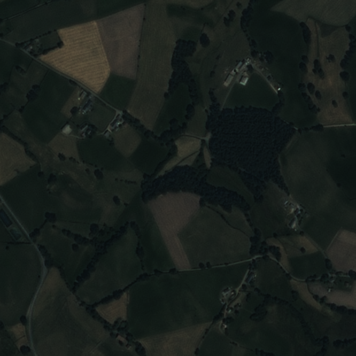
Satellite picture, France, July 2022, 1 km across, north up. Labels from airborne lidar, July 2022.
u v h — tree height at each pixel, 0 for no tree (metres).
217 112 20
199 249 0
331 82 0
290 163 0
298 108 0
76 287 10
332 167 0
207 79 0
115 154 0
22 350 18
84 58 0
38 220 0
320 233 0
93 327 0
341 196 0
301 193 0
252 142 20
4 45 0
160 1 0
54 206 0
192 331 0
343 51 0
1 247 0
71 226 0
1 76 0
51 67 0
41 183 0
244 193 0
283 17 0
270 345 0
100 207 0
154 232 0
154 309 0
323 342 6
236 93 0
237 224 0
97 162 0
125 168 0
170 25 0
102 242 7
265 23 0
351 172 0
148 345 0
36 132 0
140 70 0
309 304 0
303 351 0
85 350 0
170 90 13
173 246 0
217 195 27
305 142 0
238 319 0
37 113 0
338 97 0
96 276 0
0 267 0
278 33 0
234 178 0
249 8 13
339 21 0
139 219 0
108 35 0
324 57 0
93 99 0
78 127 10
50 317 0
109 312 0
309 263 0
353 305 0
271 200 0
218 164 21
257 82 0
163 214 0
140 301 0
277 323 0
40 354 0
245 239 0
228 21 20
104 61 0
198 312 0
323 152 0
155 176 11
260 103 0
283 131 21
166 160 7
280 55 0
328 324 0
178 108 0
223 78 0
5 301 0
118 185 0
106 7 0
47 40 0
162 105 0
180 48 20
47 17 0
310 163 0
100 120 0
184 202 0
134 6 0
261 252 11
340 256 0
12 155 0
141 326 0
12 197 0
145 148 0
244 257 0
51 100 0
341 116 0
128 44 0
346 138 0
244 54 0
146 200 16
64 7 0
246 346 0
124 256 0
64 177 0
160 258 0
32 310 0
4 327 23
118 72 0
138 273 0
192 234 0
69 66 0
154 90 0
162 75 0
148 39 0
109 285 0
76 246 17
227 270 0
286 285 0
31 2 0
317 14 0
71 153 0
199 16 0
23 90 0
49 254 13
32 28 0
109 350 0
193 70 0
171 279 0
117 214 0
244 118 22
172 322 0
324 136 0
